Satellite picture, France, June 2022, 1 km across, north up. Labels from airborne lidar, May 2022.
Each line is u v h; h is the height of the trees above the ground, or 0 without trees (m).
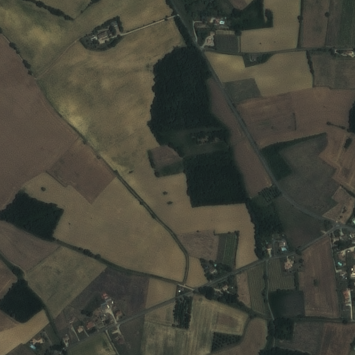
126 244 0
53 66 0
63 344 11
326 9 0
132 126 0
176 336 0
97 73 0
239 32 20
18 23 0
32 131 0
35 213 15
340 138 0
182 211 0
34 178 0
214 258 0
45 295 0
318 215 0
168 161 0
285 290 7
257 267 0
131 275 0
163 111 19
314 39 0
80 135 0
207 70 19
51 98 0
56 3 0
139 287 0
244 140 0
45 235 18
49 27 0
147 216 0
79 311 0
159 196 0
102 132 0
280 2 0
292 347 0
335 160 0
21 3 0
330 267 0
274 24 0
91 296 0
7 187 0
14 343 0
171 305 0
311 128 0
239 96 0
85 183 0
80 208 0
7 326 0
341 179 0
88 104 0
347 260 0
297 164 0
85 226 0
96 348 0
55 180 0
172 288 0
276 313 0
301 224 0
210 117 19
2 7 0
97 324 0
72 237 0
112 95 0
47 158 0
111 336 0
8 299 12
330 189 0
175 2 0
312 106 0
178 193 0
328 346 0
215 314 0
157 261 0
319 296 0
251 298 0
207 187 15
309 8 0
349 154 0
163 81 12
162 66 18
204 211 0
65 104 0
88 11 0
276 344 0
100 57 0
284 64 0
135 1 0
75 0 0
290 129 0
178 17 8
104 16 0
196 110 18
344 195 0
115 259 0
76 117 0
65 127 0
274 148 9
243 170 0
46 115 0
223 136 16
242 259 0
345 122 0
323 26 0
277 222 6
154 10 0
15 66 0
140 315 0
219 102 0
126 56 0
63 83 0
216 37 8
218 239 0
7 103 0
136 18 0
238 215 0
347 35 0
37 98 0
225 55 0
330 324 0
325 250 0
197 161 6
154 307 0
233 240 0
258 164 0
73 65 0
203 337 0
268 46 0
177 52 18
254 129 0
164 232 0
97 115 0
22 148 0
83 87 0
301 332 0
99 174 0
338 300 0
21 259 0
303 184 0
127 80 0
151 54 0
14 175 0
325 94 0
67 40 0
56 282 0
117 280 0
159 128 12
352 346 9
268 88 0
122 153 0
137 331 0
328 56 0
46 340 7
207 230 0
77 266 0
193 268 0
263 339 0
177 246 0
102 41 0
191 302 5
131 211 0
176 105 10
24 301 16
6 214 21
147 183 0
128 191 0
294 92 0
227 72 0
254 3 6
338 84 0
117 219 0
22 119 0
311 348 0
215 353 0
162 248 0
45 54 0
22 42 0
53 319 0
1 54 0
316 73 0
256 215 18
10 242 0
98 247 0
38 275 0
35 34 0
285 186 0
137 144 0
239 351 0
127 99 0
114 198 0
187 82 19
